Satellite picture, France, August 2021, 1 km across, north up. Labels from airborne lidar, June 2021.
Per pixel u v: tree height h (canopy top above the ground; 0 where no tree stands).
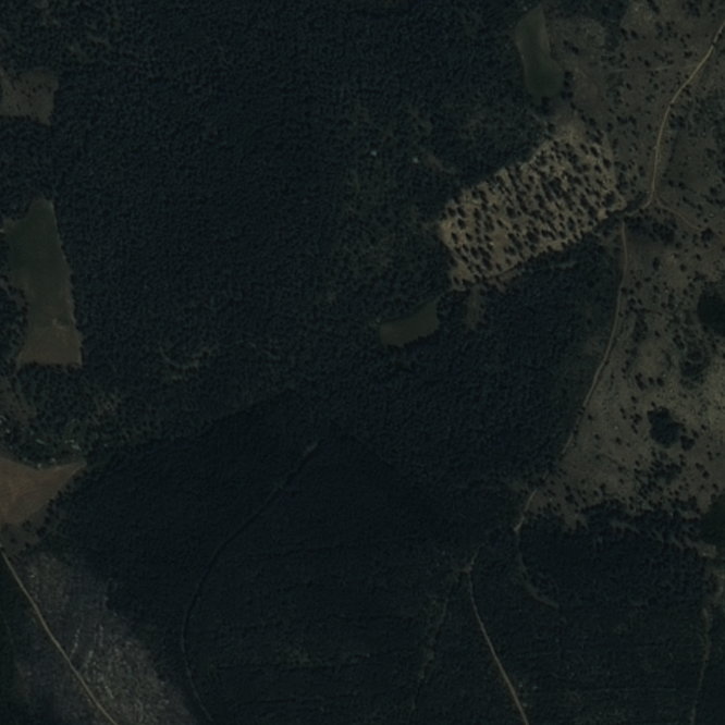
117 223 11
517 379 9
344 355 13
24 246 0
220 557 12
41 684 9
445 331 14
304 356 15
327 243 15
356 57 10
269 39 13
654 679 8
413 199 9
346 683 9
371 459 14
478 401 17
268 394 10
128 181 10
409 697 7
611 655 8
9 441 11
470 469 21
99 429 9
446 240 0
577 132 0
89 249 12
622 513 14
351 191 6
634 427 7
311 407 7
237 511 12
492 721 9
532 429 8
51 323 0
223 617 10
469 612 12
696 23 0
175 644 11
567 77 8
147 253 10
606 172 0
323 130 12
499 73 11
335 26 13
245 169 14
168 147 8
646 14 0
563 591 10
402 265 13
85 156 9
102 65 10
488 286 16
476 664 10
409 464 14
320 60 11
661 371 0
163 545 9
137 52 12
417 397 18
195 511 12
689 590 11
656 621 7
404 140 6
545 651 10
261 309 10
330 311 11
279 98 12
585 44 0
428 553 9
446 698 10
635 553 16
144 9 12
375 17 12
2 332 8
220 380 17
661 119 0
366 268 6
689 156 0
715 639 6
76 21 10
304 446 8
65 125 10
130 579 10
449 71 11
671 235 7
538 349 12
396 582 10
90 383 8
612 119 0
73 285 10
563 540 13
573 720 6
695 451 0
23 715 8
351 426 17
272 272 11
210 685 10
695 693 9
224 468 14
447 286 11
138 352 15
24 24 7
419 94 10
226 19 12
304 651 8
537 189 0
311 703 8
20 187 6
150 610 11
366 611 11
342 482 15
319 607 10
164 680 9
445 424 13
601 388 0
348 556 11
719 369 0
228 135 16
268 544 11
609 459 0
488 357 9
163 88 12
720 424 0
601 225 11
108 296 12
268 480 12
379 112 10
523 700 7
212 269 12
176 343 10
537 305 11
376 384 20
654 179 0
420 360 12
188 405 13
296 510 12
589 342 0
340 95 8
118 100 10
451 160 13
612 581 14
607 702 7
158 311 14
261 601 10
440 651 12
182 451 12
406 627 10
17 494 0
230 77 13
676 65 0
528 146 9
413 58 13
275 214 13
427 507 11
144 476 11
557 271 6
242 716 12
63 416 12
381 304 10
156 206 12
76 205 15
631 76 0
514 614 9
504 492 8
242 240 16
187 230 12
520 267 10
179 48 15
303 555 10
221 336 13
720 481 0
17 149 8
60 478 0
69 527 7
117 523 10
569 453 0
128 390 12
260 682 10
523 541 11
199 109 11
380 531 13
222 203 14
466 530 11
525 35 0
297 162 14
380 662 11
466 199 0
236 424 11
